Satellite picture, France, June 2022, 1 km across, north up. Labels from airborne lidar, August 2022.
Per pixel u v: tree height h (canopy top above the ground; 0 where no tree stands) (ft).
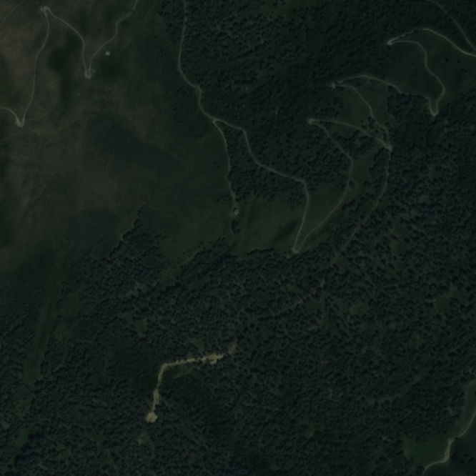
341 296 72
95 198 0
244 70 30
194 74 28
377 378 64
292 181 26
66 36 0
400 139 37
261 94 36
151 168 0
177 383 36
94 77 0
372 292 83
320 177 52
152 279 73
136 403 77
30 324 35
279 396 33
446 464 0
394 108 41
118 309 55
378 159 52
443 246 61
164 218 0
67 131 0
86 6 0
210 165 0
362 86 29
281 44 24
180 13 37
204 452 82
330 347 65
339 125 0
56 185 0
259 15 32
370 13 36
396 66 0
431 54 0
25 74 0
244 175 42
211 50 30
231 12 59
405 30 21
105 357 36
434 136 63
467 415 0
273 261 45
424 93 0
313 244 0
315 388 73
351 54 20
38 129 0
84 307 33
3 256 0
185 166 0
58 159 0
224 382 77
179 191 0
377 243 0
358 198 0
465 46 18
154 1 0
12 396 75
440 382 43
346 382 61
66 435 54
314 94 25
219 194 0
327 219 0
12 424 34
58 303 31
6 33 0
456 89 0
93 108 0
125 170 0
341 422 74
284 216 0
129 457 69
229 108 40
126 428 76
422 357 31
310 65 35
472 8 43
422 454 0
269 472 40
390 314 71
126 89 0
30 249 0
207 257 38
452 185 82
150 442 21
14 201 0
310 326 70
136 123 0
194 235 0
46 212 0
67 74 0
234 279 91
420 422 68
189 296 63
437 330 24
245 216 0
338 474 53
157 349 73
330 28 32
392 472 47
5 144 0
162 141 0
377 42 40
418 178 93
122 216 0
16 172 0
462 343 31
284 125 33
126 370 30
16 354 71
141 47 0
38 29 0
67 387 65
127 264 73
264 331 22
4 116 0
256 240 0
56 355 38
